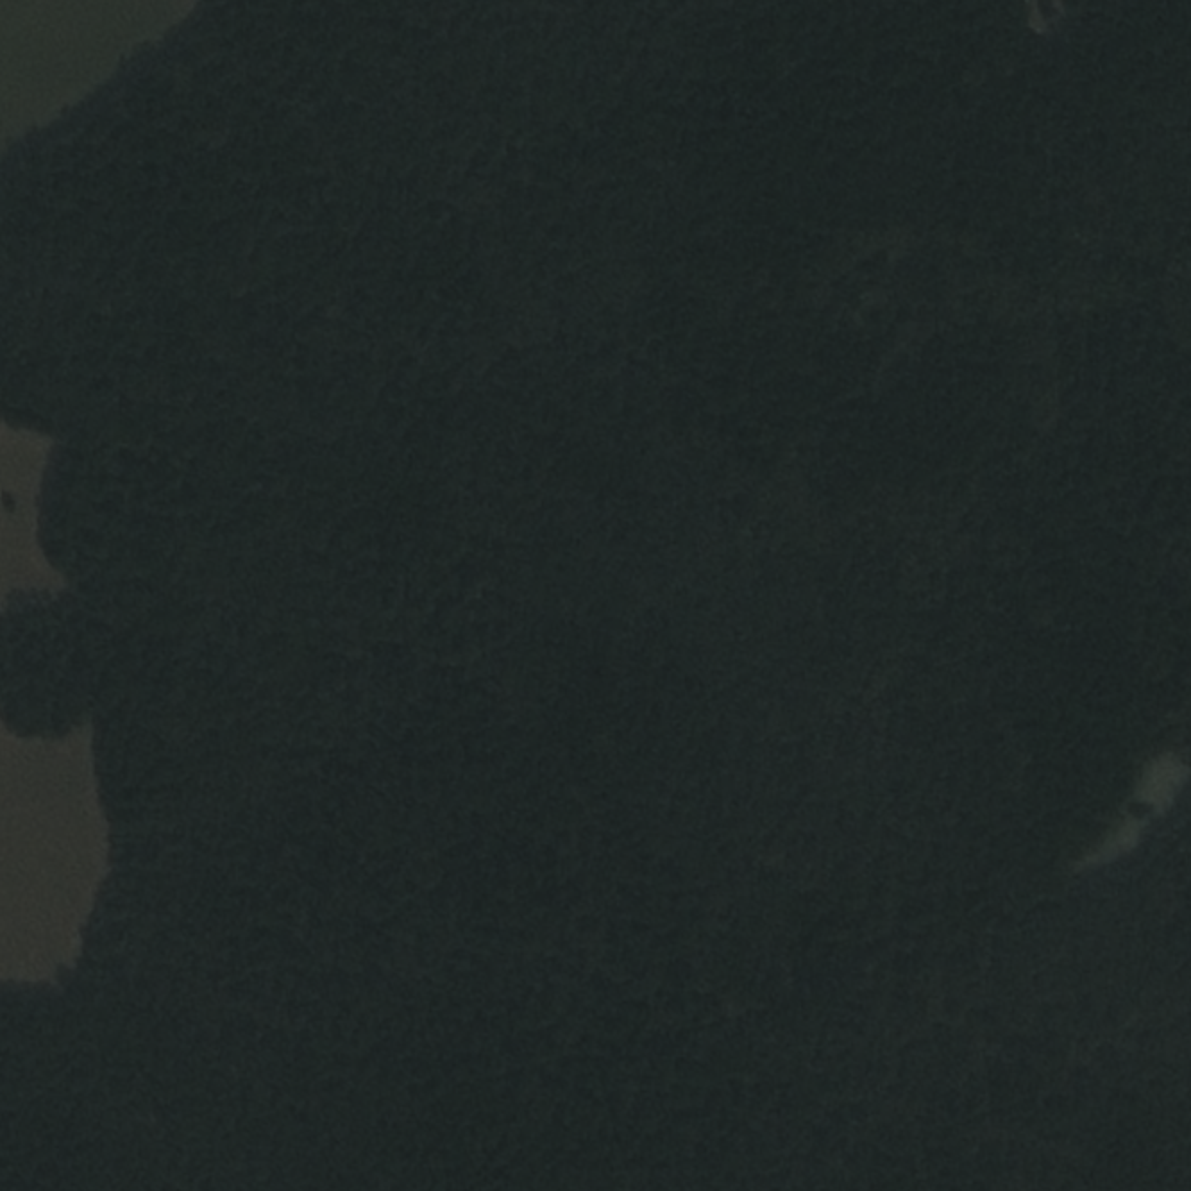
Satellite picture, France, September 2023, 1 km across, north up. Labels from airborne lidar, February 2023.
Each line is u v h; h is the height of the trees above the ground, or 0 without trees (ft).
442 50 57
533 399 70
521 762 57
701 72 72
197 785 65
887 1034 55
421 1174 83
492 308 73
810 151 74
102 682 84
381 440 78
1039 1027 55
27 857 0
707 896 65
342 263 53
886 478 46
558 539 71
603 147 68
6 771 0
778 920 64
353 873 66
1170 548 62
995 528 52
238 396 67
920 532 52
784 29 61
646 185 67
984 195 60
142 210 81
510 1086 81
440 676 61
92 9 0
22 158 62
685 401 76
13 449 0
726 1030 88
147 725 48
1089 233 57
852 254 44
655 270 64
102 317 40
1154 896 42
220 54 57
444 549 87
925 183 50
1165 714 48
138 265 85
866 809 64
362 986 56
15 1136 79
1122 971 62
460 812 77
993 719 52
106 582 66
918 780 63
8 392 79
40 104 0
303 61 76
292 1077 59
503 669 66
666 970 33
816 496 52
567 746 70
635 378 85
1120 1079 73
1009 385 58
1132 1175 64
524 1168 83
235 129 72
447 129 82
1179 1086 70
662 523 70
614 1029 71
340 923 73
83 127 55
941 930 76
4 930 0
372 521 70
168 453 68
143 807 60
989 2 75
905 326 59
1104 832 38
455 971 63
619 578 75
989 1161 95
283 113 65
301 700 64
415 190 71
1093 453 70
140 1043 76
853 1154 78
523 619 66
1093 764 78
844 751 80
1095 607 81
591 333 69
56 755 0
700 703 73
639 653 76
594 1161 84
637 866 74
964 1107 74
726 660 81
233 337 67
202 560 68
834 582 70
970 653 52
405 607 73
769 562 66
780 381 68
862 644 73
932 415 68
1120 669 80
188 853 41
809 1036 70
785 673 80
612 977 39
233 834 32
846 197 69
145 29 0
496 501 60
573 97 69
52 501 68
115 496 75
